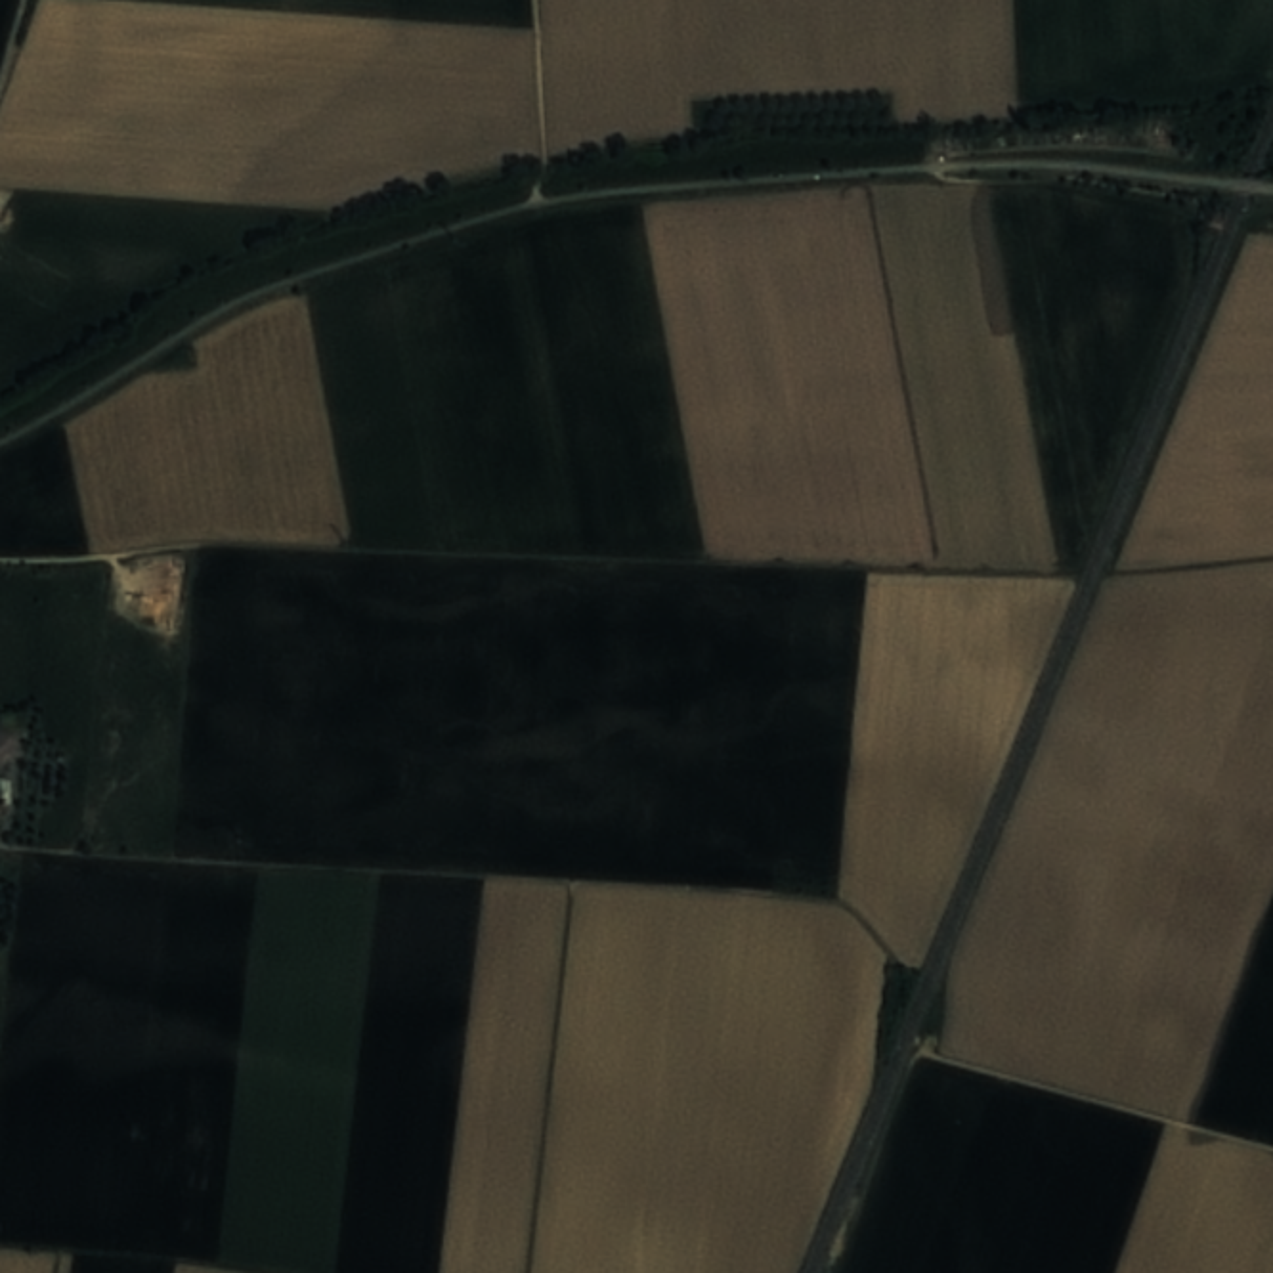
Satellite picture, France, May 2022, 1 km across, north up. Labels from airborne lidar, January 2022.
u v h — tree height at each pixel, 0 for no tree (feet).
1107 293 0
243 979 0
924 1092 0
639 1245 0
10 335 0
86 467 0
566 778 0
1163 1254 0
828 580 0
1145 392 0
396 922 0
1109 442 0
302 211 0
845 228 0
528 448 0
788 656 0
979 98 0
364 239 0
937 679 0
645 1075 0
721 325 0
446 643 0
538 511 0
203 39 0
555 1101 0
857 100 37
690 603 0
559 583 0
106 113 0
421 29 0
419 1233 0
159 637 0
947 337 0
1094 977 0
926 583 0
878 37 0
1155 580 0
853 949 0
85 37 0
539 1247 0
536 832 0
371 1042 0
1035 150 0
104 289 0
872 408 0
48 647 0
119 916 0
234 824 0
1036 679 0
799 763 0
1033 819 0
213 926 0
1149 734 0
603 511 0
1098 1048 0
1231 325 0
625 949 0
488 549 0
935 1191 0
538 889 0
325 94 0
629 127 0
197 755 0
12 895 32
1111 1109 0
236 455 0
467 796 0
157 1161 0
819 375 0
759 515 0
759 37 0
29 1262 0
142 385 0
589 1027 0
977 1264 0
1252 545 0
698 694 0
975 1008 0
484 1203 0
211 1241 0
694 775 0
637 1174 0
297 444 0
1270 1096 0
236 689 0
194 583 0
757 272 0
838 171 0
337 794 0
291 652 0
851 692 0
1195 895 0
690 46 0
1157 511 0
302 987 0
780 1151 0
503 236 0
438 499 0
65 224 0
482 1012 0
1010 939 0
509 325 0
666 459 0
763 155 0
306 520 0
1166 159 0
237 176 0
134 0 0
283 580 0
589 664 0
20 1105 0
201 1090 0
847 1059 0
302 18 0
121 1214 0
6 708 24
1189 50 0
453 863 0
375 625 0
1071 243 0
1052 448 0
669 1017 0
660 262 0
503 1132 0
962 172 0
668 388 0
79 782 0
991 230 0
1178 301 0
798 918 0
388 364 0
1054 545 0
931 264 0
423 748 0
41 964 0
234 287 0
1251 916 0
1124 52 0
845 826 0
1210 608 0
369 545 0
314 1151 0
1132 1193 0
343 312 0
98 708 0
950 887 0
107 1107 0
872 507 0
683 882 0
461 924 0
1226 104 32
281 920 0
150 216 0
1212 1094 0
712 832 0
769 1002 0
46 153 0
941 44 0
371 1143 0
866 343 0
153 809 0
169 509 0
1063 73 0
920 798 0
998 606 0
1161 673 0
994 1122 0
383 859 0
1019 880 0
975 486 0
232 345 0
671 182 0
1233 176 0
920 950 0
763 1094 0
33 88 0
